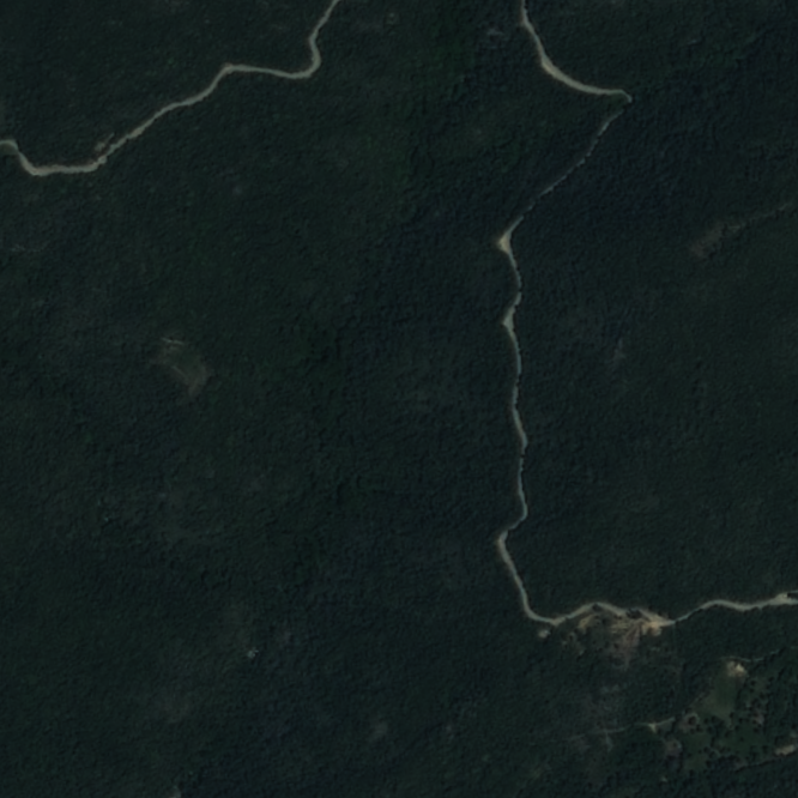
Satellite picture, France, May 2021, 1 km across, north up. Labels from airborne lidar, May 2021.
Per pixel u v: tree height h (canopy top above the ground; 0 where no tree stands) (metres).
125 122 7
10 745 16
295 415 9
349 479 12
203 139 10
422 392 8
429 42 14
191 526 15
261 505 10
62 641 15
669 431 12
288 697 12
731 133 14
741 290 7
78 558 14
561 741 9
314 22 8
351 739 7
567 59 8
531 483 6
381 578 8
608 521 10
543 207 10
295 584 20
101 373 6
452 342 9
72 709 17
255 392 9
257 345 13
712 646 15
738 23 15
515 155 11
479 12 14
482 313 10
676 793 20
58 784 14
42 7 6
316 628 8
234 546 12
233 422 11
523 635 11
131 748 11
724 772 17
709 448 9
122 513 14
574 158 14
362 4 7
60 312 9
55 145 10
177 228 7
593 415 9
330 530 11
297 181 8
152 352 10
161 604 13
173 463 6
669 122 10
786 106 11
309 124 5
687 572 8
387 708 7
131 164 7
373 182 10
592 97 9
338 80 11
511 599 9
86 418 14
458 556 6
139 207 11
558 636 13
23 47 6
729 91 8
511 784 9
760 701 10
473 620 8
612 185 6
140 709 12
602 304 6
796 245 6
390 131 10
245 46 6
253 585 19
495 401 8
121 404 8
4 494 10
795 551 10
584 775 11
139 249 8
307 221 16
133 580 12
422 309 16
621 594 8
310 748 6
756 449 16
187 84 9
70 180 11
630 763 13
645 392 11
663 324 8
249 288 10
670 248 9
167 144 10
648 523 11
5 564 10
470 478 8
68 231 14
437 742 8
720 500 12
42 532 10
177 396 9
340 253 10
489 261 7
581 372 8
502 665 11
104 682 13
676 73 10
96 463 9
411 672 7
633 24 7
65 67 7
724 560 8
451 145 7
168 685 11
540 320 7
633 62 15
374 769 9
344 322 22
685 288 6
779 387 8
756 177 18
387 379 7
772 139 7
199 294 8
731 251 11
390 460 9
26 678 11
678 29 10
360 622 13
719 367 5
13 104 6
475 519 11
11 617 13
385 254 12
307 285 7
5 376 17
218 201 7
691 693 9
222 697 12
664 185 8
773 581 7
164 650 14
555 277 7
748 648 11
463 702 22
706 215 12
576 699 7
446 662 6
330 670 7
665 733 8
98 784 12
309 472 15
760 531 11
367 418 12
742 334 6
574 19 9
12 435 12
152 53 6
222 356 7
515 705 6
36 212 9
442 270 6
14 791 15
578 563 6
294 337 7
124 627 10
